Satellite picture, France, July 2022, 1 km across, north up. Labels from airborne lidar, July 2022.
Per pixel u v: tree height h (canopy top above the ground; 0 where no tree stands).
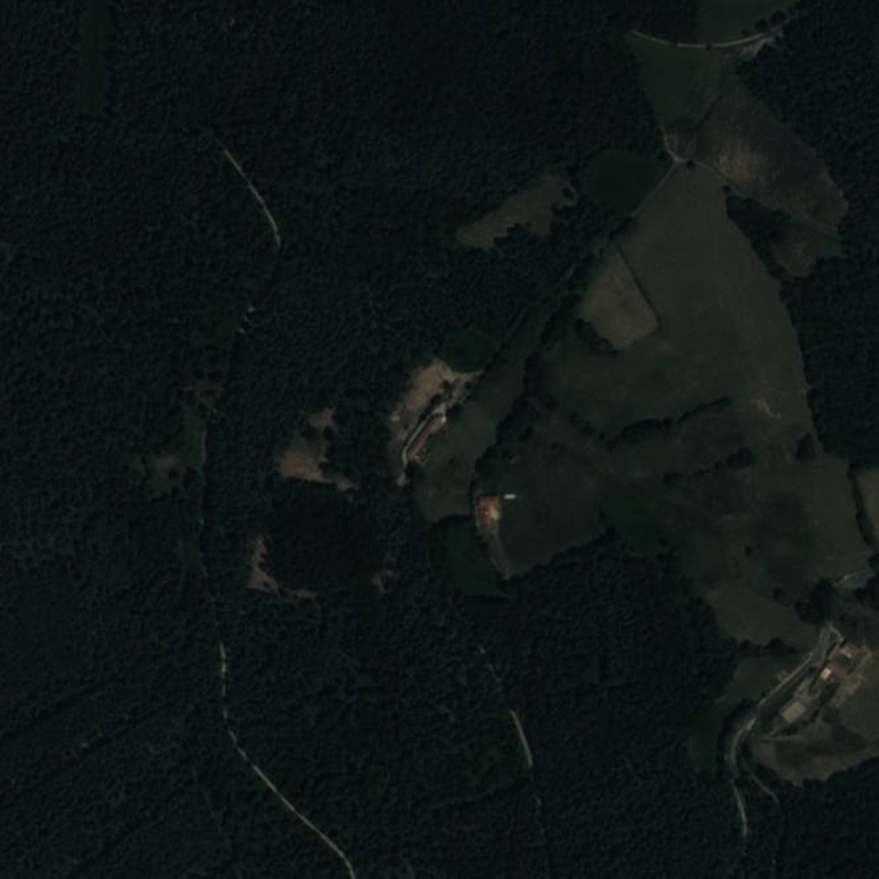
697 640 21
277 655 17
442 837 23
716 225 0
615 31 18
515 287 24
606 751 22
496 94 21
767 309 0
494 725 9
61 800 21
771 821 21
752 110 0
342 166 28
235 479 34
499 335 23
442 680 28
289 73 8
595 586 22
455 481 0
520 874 26
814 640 0
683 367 0
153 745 19
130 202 25
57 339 14
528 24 24
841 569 0
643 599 23
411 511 21
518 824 23
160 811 19
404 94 22
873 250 7
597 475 0
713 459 0
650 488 0
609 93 23
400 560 26
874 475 0
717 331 0
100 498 11
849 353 10
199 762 19
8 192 20
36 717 8
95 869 19
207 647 20
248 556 22
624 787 33
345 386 20
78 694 10
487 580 0
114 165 23
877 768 16
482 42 26
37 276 22
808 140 10
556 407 26
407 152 24
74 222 23
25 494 16
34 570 14
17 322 12
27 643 16
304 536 24
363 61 17
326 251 22
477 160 30
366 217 14
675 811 28
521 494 0
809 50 23
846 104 23
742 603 0
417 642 27
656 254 0
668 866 31
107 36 0
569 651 27
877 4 20
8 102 25
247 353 28
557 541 0
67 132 31
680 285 0
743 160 0
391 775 6
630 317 0
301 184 14
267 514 21
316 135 12
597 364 0
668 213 0
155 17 27
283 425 31
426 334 21
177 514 17
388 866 15
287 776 8
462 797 8
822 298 13
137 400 15
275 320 27
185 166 26
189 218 24
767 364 0
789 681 0
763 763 0
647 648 26
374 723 19
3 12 21
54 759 13
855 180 19
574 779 25
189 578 11
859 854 17
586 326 17
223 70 6
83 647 16
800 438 0
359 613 23
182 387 12
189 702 20
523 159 29
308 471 0
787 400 0
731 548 0
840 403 23
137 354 11
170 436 18
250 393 29
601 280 0
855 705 0
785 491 0
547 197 0
